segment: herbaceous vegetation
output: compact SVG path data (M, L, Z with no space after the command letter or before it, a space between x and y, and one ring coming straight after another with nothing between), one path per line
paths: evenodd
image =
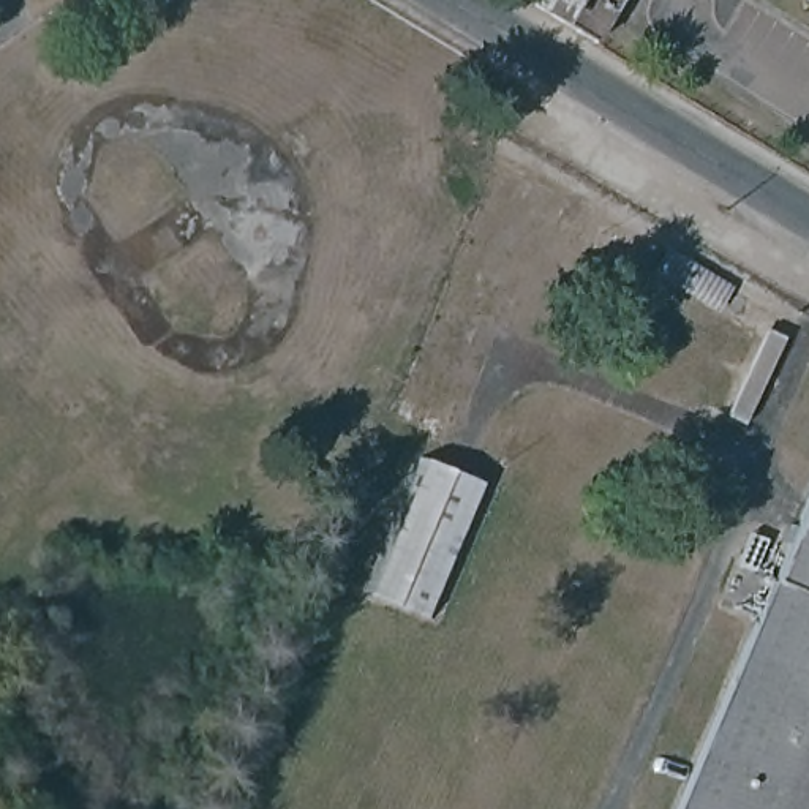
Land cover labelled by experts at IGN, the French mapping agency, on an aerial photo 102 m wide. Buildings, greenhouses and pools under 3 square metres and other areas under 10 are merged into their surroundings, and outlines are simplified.
M717 76L705 82L683 95L692 104L714 114L717 120L724 120L727 126L733 126L736 133L765 145L768 136L784 136L787 130L746 107L739 98L733 98Z
M0 581L0 616L16 607L19 635L35 638L35 651L25 654L28 686L13 698L13 730L22 749L22 762L38 777L38 790L51 793L54 806L60 809L174 809L174 803L167 803L164 796L158 796L152 806L142 803L142 793L161 771L158 739L145 736L139 724L130 724L126 733L117 733L88 711L92 698L79 664L85 660L82 635L101 626L98 607L104 591L95 585L95 578L79 572L76 559L57 559L47 569L51 594L28 591L22 578Z
M809 38L809 0L749 0L762 13L774 16L781 25Z
M117 66L107 82L79 82L54 76L51 66L41 60L38 38L22 28L22 16L0 25L0 540L32 537L38 547L44 547L47 531L63 528L73 537L101 540L107 553L120 553L126 544L126 528L161 528L167 521L167 515L158 506L145 506L142 487L155 480L202 480L212 468L231 461L234 474L250 474L256 499L250 509L237 506L221 509L215 515L215 528L224 534L224 540L231 547L246 544L250 556L262 559L269 534L288 531L294 534L294 544L284 553L294 563L307 569L322 569L332 578L332 604L322 616L300 619L288 642L281 638L278 645L262 645L262 660L275 664L269 670L269 683L281 702L272 705L243 695L243 702L234 708L234 717L228 717L221 730L212 730L212 749L202 752L202 768L215 777L212 787L202 787L202 793L193 796L183 809L597 809L607 793L610 774L616 771L616 762L629 743L629 733L638 721L638 711L648 698L648 689L654 686L654 673L670 648L679 613L692 594L695 575L702 569L702 556L695 553L686 563L654 563L635 556L632 566L623 566L607 556L594 563L578 547L572 525L578 499L585 496L585 487L594 480L594 474L600 474L616 458L626 458L629 452L645 452L651 433L670 433L670 423L654 423L645 414L578 392L572 386L531 382L515 389L480 430L480 442L474 449L487 452L502 468L499 487L484 484L484 496L458 547L446 588L433 607L433 616L420 619L398 607L370 600L367 585L373 566L379 556L386 556L389 540L401 531L411 509L408 477L411 471L417 471L420 458L433 458L439 446L449 446L449 439L468 423L474 389L487 367L493 338L525 341L534 322L550 322L547 288L559 278L559 272L569 272L578 256L588 262L588 269L604 259L626 259L635 269L635 294L645 297L645 316L651 319L651 332L645 335L642 351L664 351L664 357L670 357L667 367L660 367L654 376L645 376L645 386L638 392L676 405L686 414L692 411L708 417L730 417L730 389L739 376L739 367L749 360L758 335L746 325L733 325L721 313L695 300L689 291L683 291L660 272L664 262L651 259L651 246L642 237L632 240L619 221L588 209L581 196L563 190L550 177L531 171L528 164L515 164L512 158L502 158L496 152L490 180L484 183L484 199L474 205L461 205L439 177L442 152L436 145L436 133L442 126L446 95L439 92L439 79L446 66L458 60L439 44L427 41L423 35L395 22L389 13L376 9L370 0L158 0L158 13L171 28L161 32L145 51L130 54L130 60ZM281 430L281 436L288 439L300 439L303 449L316 455L316 465L341 484L344 496L354 499L354 518L310 518L310 493L294 480L272 480L262 471L262 442L272 430Z
M730 673L730 664L736 660L736 651L746 638L743 619L711 607L702 619L698 635L692 638L683 686L676 689L667 714L660 717L657 736L648 743L648 755L654 758L695 755L695 746L702 743L702 733L714 714L717 695Z
M626 809L673 809L679 784L654 774L651 765L638 774Z
M806 496L809 493L809 360L796 382L796 395L781 417L781 430L771 439L771 465L784 474L784 480L793 490Z

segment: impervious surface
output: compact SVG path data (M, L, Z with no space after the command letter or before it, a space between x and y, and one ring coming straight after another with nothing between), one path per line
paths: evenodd
M727 550L727 534L714 544L698 547L695 553L702 556L702 569L695 575L692 594L679 613L670 648L654 673L654 686L648 689L648 698L638 711L638 721L629 733L629 743L616 762L616 771L610 774L607 793L597 809L626 809L638 774L651 765L654 758L648 755L648 743L657 736L660 717L667 714L676 689L683 686L692 638L698 635L702 619L711 607L714 594L727 588L727 578L733 575L733 566L721 563Z
M588 209L619 221L632 240L642 237L651 246L651 259L664 262L660 272L683 291L689 291L692 265L727 281L730 291L727 307L721 313L733 325L746 325L758 335L749 360L739 367L739 376L730 389L730 417L708 417L692 411L686 414L676 405L638 392L619 392L604 376L563 376L553 370L550 354L540 344L525 341L493 338L487 367L474 389L468 423L449 439L449 446L439 446L433 458L455 465L480 477L484 484L499 487L502 468L487 452L474 449L480 442L480 430L515 389L531 382L572 386L578 392L645 414L654 423L670 423L670 433L673 446L683 446L695 458L708 461L708 471L689 471L686 480L702 487L708 509L721 518L721 528L727 531L749 518L758 528L758 534L777 537L781 528L800 525L806 496L793 490L784 480L784 474L771 465L771 439L781 430L781 417L796 395L796 382L809 360L809 38L781 25L774 16L762 13L749 0L626 0L623 13L613 19L619 32L610 32L604 41L597 41L585 28L578 28L578 16L588 0L370 0L376 9L389 13L395 22L423 35L427 41L439 44L458 60L468 57L471 66L484 73L487 85L493 92L512 95L515 111L525 114L525 120L506 139L496 142L496 152L502 158L512 158L515 164L528 164L531 171L550 177L563 190L581 196ZM642 35L651 41L670 41L673 63L692 70L705 82L717 76L733 98L739 98L746 107L787 130L796 126L796 136L806 142L800 152L784 158L765 145L736 133L733 126L727 126L724 120L717 120L714 114L692 104L683 95L660 82L651 82L629 63L623 63L626 51L635 47Z
M22 28L38 38L44 32L44 22L63 0L0 0L0 25L22 16Z

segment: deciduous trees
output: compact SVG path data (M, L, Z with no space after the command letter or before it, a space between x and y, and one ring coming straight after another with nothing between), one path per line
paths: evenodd
M38 547L32 537L0 540L0 581L22 578L28 591L51 594L47 569L57 559L76 559L79 572L95 578L95 585L104 591L98 607L101 626L82 635L85 660L79 664L92 698L88 711L117 733L126 733L130 724L139 724L145 736L158 739L161 771L142 793L142 803L152 806L158 796L164 796L167 803L174 803L174 809L183 809L193 796L202 793L202 787L212 787L215 777L202 768L202 752L212 749L212 730L221 730L228 717L234 717L234 708L243 702L243 695L272 705L281 702L269 683L269 670L275 664L262 660L262 645L278 645L281 638L288 642L300 619L322 616L332 604L332 578L322 569L307 569L294 563L284 553L294 544L294 534L288 531L269 534L262 559L250 556L246 544L231 547L224 540L224 534L215 528L215 515L221 509L237 506L250 509L256 499L250 474L234 474L231 461L212 468L202 480L155 480L142 487L145 506L158 506L167 515L167 521L161 528L126 528L126 544L120 553L107 553L101 540L73 537L63 528L47 531L44 547Z
M534 322L525 341L540 344L550 354L553 370L563 376L604 376L619 392L638 392L645 386L645 376L654 376L660 367L667 367L670 357L664 357L664 351L642 351L645 335L651 332L651 319L645 316L645 297L635 294L635 269L626 259L604 259L588 269L588 262L578 256L569 272L559 272L559 278L547 288L550 322Z
M436 145L442 152L439 177L461 205L474 205L484 199L484 183L490 180L496 152L496 142L506 139L525 120L525 114L515 111L512 95L493 92L487 85L484 73L471 66L468 57L458 60L446 66L439 79L439 92L446 95L442 126L436 133Z
M51 793L38 790L38 777L22 762L22 749L13 730L13 698L28 686L25 654L35 651L35 638L19 635L16 607L0 616L0 809L60 809L54 806Z
M117 66L130 60L130 54L145 51L161 32L171 28L158 13L158 0L63 0L44 22L44 32L38 38L41 60L51 66L54 76L79 82L107 82Z
M651 433L645 452L629 452L626 458L616 458L600 474L594 474L594 480L585 487L585 496L578 499L572 525L578 547L594 563L607 556L623 566L632 566L635 556L654 563L686 563L695 553L698 547L714 544L727 534L727 531L721 528L721 518L708 509L702 487L686 480L689 471L708 471L708 461L695 458L683 446L673 446L670 433Z
M281 430L272 430L262 442L262 471L272 480L294 480L310 493L310 518L354 518L354 499L344 496L341 484L316 465L316 455L303 449L300 439L288 439L281 436Z
M787 130L784 136L768 136L765 145L784 158L800 152L806 142L796 136L796 126Z
M692 70L673 63L670 41L651 41L642 35L635 47L626 51L623 63L629 63L651 82L660 82L683 95L705 82Z

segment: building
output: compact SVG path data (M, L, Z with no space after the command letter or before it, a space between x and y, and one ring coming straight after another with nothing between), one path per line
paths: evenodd
M373 566L367 585L370 600L398 607L420 619L433 616L433 607L446 588L458 547L484 496L484 484L480 477L455 465L433 458L420 458L417 471L411 471L408 477L411 509L401 531L389 540L386 556L379 556Z
M597 41L604 41L610 32L619 32L613 19L623 13L626 0L588 0L578 16L578 28L585 28Z
M727 588L714 594L711 607L743 619L746 638L736 651L736 660L730 664L730 673L717 695L714 714L702 733L702 743L695 746L695 755L654 758L651 765L654 774L679 784L673 809L809 809L809 493L806 496L800 525L781 528L777 537L758 534L758 528L749 518L727 531L727 534L727 550L721 563L733 566L733 575L727 578Z
M727 281L692 265L689 291L695 300L721 313L727 307L730 291Z

